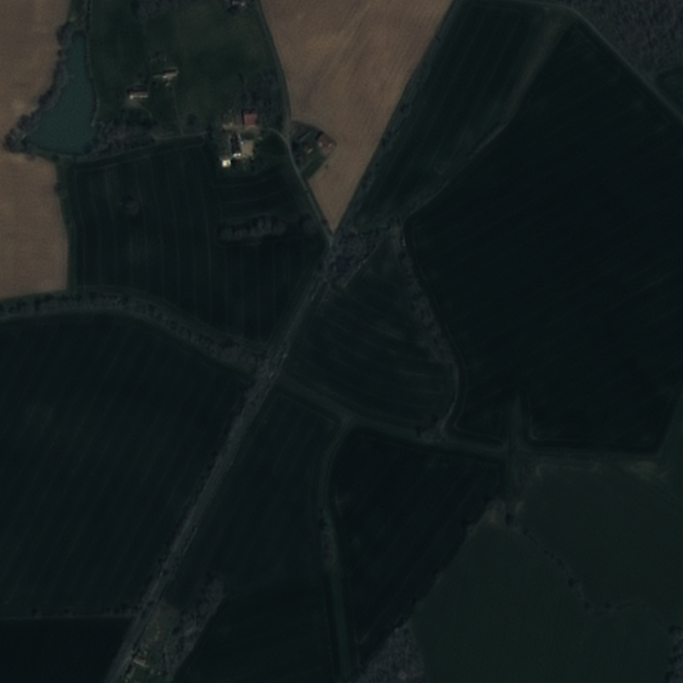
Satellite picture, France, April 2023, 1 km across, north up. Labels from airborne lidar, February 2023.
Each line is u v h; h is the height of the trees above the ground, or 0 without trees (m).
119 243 0
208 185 0
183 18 0
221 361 14
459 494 0
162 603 0
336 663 0
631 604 0
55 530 0
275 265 0
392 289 0
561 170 0
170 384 0
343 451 0
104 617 11
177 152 0
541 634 0
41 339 0
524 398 0
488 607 0
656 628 0
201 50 0
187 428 0
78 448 0
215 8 0
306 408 0
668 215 0
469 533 17
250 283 0
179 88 0
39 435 0
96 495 0
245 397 18
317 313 0
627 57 10
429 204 0
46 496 0
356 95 0
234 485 0
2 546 0
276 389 0
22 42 0
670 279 0
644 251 0
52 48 0
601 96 0
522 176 0
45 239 0
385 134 0
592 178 0
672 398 0
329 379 0
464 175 0
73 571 0
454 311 0
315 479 0
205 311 0
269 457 0
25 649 0
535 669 0
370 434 0
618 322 0
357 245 22
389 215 0
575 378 0
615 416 0
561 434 0
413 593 0
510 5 0
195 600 0
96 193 0
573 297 0
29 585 0
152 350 0
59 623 0
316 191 0
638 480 0
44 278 0
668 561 0
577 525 0
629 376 0
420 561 0
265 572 0
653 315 0
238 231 8
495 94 0
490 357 0
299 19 0
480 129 0
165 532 0
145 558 0
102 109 0
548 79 0
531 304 0
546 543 0
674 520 0
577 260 0
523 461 0
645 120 0
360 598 0
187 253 0
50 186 0
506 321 0
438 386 0
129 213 20
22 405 0
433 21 0
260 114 15
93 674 0
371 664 20
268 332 0
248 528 0
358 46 0
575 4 13
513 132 0
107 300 13
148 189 0
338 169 0
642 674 0
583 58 0
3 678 0
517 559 0
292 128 0
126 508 0
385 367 0
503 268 0
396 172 0
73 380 0
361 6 0
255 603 0
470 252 0
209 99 0
